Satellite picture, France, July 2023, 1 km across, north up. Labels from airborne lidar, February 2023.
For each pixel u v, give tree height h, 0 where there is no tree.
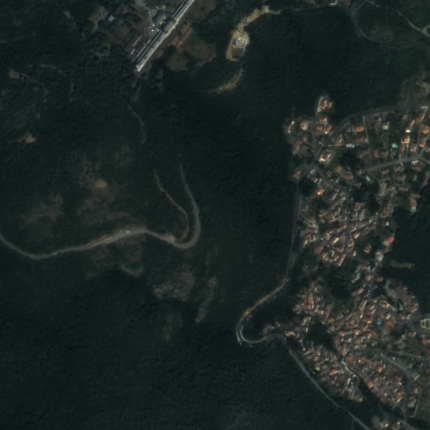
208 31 15
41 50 10
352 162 26
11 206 9
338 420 21
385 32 0
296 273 12
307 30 16
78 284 17
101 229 9
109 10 17
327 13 16
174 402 16
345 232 0
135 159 12
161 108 16
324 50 16
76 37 26
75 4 20
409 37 0
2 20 15
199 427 13
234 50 8
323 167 8
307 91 21
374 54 16
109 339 15
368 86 17
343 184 6
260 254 17
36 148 16
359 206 0
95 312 18
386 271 15
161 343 10
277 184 17
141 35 0
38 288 13
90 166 6
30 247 7
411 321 0
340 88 20
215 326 21
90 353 19
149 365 27
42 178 10
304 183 15
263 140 25
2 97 8
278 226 18
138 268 0
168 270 8
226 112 13
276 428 15
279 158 25
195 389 17
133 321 15
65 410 11
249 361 25
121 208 6
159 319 9
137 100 24
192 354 20
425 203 16
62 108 23
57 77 13
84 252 8
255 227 16
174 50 9
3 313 26
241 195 22
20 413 19
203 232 8
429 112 0
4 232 7
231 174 27
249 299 14
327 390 8
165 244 10
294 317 16
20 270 18
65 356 23
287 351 16
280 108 15
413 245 18
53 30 16
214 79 12
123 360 9
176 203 12
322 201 14
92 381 12
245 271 14
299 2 8
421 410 0
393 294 0
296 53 23
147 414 19
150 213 9
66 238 6
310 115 14
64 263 13
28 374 16
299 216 0
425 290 7
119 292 17
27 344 26
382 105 7
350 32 15
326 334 15
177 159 20
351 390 0
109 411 15
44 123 11
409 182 7
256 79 15
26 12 20
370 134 0
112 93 29
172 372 13
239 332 0
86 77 15
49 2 10
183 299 11
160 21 0
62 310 17
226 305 11
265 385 15
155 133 23
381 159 6
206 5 0
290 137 0
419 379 0
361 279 6
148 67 0
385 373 0
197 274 7
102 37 20
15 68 16
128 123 10
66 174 11
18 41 21
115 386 11
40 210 0
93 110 18
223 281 10
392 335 7
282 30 14
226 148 24
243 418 9
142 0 0
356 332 0
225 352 25
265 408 10
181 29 0
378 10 10
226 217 12
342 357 9
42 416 19
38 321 22
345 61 7
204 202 12
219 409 14
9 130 9
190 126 25
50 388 16
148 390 20
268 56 16
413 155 0
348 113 6
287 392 18
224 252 13
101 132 9
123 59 18
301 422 13
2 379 12
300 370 6
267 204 28
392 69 13
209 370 24
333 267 8
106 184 0
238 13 15
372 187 8
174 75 19
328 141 0
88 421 14
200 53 0
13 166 16
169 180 13
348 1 0
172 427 23
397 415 15
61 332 9
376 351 0
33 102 8
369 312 0
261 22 10
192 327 28
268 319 19
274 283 10
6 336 23
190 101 25
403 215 19
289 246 12
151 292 16
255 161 23
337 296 18
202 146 23
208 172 23
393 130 0
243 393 17
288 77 23
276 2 15
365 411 15
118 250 7
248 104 16
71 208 10
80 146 15
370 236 10
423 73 0
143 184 15
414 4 0
